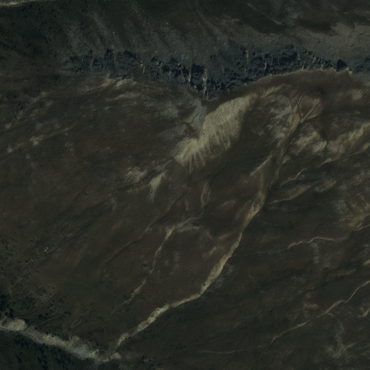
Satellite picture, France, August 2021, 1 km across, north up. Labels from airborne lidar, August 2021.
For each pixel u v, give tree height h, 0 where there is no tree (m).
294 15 0
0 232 0
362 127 0
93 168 0
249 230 0
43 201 0
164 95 0
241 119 0
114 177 0
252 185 0
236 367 0
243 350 0
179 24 0
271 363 0
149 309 0
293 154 0
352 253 0
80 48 0
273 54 0
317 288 0
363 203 0
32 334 0
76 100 0
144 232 0
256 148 0
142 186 0
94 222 0
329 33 0
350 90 0
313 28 0
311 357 0
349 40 0
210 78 0
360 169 0
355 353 0
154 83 0
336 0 0
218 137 0
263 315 0
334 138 0
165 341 0
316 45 0
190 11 0
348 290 0
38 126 0
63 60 0
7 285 0
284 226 0
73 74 0
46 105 0
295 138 0
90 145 0
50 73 0
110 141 0
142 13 0
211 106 0
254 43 0
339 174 0
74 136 0
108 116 0
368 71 0
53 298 0
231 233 0
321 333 0
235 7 0
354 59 0
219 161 0
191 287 0
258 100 0
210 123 0
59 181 0
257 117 0
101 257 0
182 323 0
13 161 0
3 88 0
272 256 0
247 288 0
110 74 0
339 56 0
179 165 0
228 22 0
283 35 0
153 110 0
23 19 0
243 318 0
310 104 0
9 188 0
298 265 0
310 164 0
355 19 0
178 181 0
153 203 0
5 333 0
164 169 0
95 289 0
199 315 0
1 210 0
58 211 0
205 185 0
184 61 0
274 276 0
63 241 0
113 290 0
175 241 0
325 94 0
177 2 0
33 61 0
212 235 0
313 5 0
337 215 0
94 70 0
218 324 0
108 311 0
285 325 0
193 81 0
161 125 0
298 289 0
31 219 0
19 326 0
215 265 0
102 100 0
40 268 0
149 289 0
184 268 0
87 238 0
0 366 0
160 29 0
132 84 0
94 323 0
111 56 0
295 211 0
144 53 0
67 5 0
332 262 0
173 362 0
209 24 0
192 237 0
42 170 0
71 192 0
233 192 0
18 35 0
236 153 0
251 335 0
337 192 0
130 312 0
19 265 0
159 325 0
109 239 0
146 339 0
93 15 0
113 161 0
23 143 0
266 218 0
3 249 0
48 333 6
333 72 0
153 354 0
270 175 0
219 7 0
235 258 0
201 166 0
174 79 0
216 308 0
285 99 0
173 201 0
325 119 0
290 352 0
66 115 0
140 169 0
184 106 0
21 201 0
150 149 0
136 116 0
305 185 0
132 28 0
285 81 0
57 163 0
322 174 0
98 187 0
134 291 0
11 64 0
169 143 0
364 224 0
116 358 0
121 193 0
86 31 0
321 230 0
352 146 0
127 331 0
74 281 0
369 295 0
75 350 0
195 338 0
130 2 0
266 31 0
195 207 0
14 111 0
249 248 0
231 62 0
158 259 0
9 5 0
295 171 0
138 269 0
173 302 0
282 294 0
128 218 0
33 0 0
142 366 0
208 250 0
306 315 0
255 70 0
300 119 0
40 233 0
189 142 0
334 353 0
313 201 0
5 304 16
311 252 0
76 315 0
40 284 0
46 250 0
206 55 0
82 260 0
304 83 0
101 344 0
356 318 0
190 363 0
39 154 0
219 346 0
